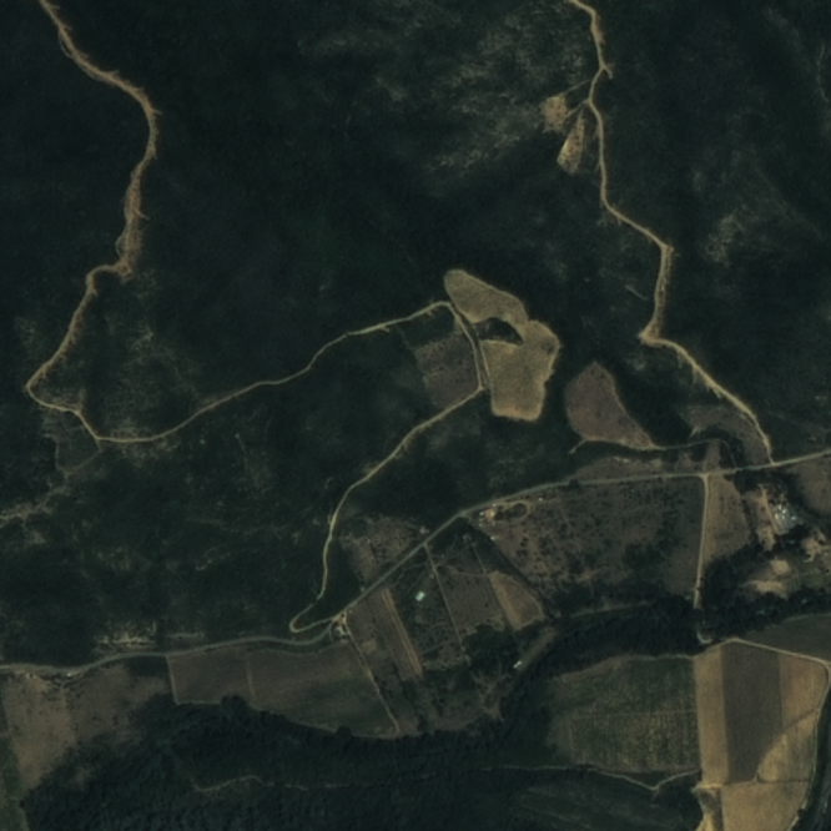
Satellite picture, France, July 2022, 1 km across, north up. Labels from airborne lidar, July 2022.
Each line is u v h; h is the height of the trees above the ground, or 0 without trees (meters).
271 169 5
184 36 9
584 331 7
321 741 22
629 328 0
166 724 9
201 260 8
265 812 9
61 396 0
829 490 0
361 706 0
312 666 0
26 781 0
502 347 0
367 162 8
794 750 0
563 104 0
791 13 12
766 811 0
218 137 8
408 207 8
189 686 0
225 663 0
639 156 0
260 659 0
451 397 0
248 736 12
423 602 0
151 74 7
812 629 0
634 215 0
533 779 6
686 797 7
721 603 11
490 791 7
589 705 0
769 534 0
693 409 0
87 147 7
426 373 0
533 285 8
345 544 0
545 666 15
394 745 20
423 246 10
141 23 8
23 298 6
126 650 0
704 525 0
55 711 0
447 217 6
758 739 0
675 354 0
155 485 7
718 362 8
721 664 0
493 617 0
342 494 7
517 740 7
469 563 0
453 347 0
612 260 0
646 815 0
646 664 0
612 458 0
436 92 0
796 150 6
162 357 0
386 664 0
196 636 0
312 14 7
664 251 0
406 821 10
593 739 0
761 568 0
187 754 7
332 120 6
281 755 7
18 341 6
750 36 5
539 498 0
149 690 0
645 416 7
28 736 0
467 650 6
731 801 0
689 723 0
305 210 8
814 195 7
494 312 0
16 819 0
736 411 0
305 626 6
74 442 0
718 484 0
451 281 0
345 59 6
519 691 16
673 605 11
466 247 6
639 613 6
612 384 0
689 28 6
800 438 0
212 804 9
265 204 9
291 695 0
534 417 0
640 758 0
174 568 0
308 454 5
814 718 0
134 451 0
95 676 0
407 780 11
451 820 7
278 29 9
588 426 0
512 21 0
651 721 0
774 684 0
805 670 0
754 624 18
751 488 11
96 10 9
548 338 0
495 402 0
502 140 0
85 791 6
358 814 6
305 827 11
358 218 10
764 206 0
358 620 0
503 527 0
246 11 6
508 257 6
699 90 8
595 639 20
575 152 0
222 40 8
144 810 9
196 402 0
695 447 6
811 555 0
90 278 0
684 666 0
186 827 17
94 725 0
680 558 0
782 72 6
